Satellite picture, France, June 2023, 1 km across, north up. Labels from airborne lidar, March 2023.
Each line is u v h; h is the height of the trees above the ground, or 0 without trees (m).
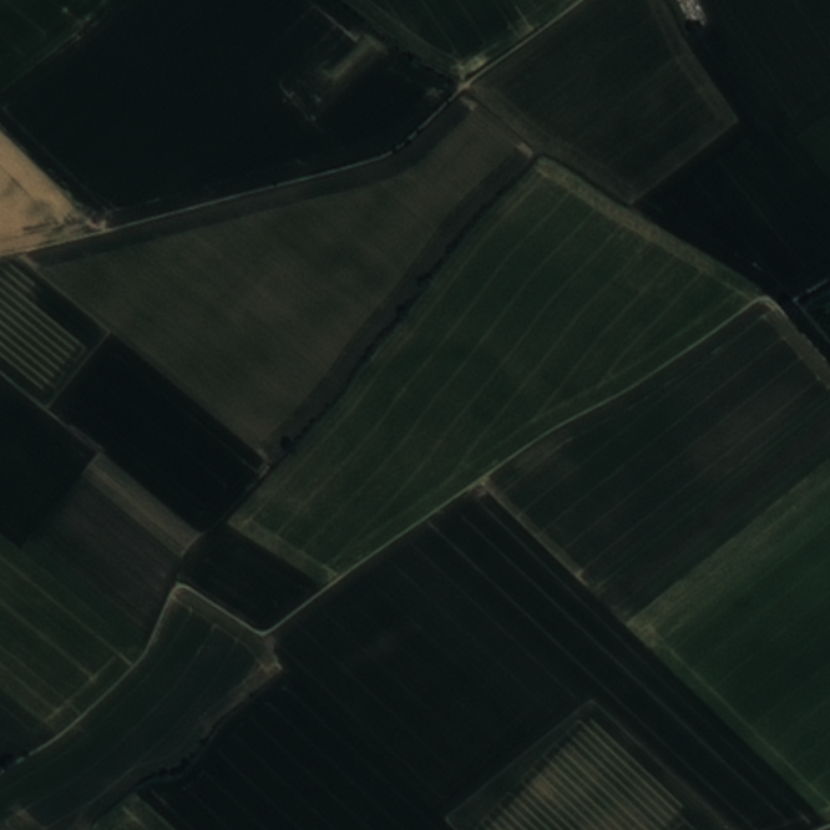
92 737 0
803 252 0
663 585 0
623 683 0
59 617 0
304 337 0
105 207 0
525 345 0
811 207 0
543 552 0
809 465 0
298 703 0
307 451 0
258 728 0
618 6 0
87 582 0
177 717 0
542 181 0
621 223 0
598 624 0
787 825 0
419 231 0
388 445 0
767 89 0
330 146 0
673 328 0
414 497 0
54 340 0
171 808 0
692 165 0
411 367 0
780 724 0
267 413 0
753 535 0
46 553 0
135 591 0
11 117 0
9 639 0
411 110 0
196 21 0
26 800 0
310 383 0
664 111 0
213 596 0
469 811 0
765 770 0
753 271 0
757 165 0
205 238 0
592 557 0
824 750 0
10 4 0
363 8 0
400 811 0
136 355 0
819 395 0
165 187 0
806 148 0
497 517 0
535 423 0
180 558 0
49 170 0
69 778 0
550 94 0
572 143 0
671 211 0
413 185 0
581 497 0
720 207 0
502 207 0
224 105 0
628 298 0
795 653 0
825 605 0
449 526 0
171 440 0
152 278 0
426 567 0
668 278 0
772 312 0
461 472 0
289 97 0
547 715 0
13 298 0
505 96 0
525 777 0
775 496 0
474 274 0
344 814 0
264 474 13
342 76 0
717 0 0
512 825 0
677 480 0
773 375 0
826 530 0
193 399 0
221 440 0
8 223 0
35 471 0
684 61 0
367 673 0
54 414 0
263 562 0
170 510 0
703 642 0
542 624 0
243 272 0
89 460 0
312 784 0
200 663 0
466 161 0
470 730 0
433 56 0
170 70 0
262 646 0
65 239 0
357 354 0
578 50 0
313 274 0
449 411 0
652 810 0
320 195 0
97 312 0
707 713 0
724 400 0
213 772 0
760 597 0
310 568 0
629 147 0
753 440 0
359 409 0
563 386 0
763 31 0
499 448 0
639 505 0
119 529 0
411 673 0
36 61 0
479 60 0
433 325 0
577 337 0
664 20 0
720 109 0
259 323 0
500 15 0
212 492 0
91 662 0
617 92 0
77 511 0
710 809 0
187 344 0
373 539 0
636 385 0
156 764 0
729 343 0
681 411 0
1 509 0
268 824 0
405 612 0
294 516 0
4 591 0
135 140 0
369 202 0
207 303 0
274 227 0
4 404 0
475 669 0
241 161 0
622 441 0
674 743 0
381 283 0
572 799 0
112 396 0
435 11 0
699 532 0
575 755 0
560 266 0
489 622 0
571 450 0
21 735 0
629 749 0
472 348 0
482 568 0
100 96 0
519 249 0
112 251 0
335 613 0
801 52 0
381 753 0
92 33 0
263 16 0
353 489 0
